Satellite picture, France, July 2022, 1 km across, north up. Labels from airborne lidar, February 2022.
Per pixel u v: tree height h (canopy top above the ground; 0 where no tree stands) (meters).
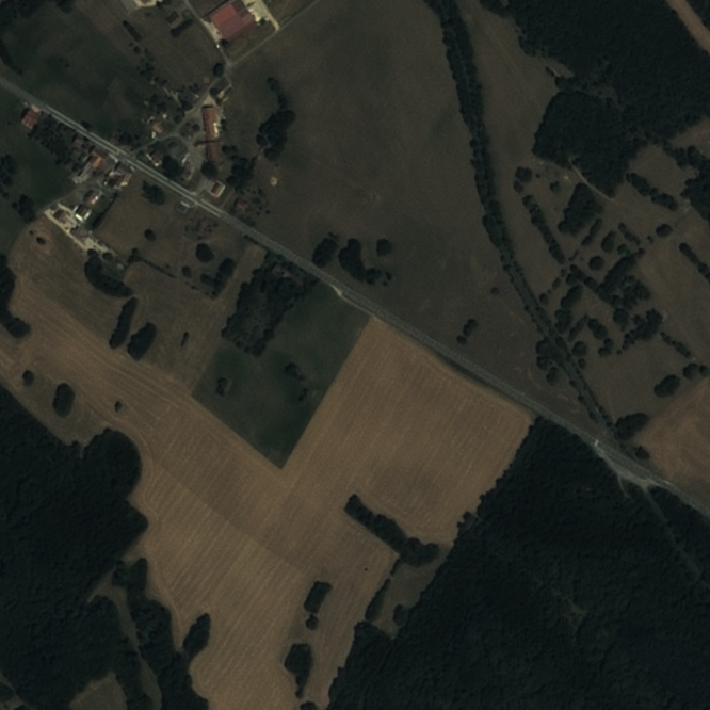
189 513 0
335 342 0
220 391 7
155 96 6
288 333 0
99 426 0
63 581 8
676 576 14
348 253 15
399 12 0
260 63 0
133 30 15
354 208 0
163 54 0
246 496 0
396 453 0
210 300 0
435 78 0
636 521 11
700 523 15
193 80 0
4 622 13
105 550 11
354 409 0
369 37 0
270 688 0
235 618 0
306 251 0
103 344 0
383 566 0
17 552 8
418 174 0
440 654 10
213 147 0
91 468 7
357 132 0
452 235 0
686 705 13
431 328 0
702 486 0
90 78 0
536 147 9
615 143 15
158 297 0
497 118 0
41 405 0
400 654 12
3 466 20
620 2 16
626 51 18
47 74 0
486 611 13
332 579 0
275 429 0
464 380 0
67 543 14
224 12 0
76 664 22
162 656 13
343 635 0
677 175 0
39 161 0
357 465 0
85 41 0
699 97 14
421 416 0
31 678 21
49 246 0
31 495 23
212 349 0
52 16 0
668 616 19
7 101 0
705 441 0
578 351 12
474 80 12
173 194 0
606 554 8
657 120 17
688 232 0
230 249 0
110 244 0
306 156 0
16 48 0
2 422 16
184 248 0
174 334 0
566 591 8
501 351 0
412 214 0
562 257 10
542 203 0
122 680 10
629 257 8
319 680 0
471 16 0
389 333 0
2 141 0
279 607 0
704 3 15
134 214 0
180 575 0
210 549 0
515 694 18
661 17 17
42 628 10
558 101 15
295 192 0
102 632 22
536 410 0
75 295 0
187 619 0
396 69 0
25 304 0
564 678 9
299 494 0
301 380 6
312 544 0
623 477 0
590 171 13
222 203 0
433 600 13
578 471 13
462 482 0
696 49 19
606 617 16
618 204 0
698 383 0
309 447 0
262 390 0
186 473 0
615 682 15
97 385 0
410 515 0
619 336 0
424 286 0
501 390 0
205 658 0
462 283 0
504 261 8
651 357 0
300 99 0
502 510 14
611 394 0
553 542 16
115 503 12
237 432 0
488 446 0
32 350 0
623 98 17
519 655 12
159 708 0
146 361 0
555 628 8
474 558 10
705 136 0
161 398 0
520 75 0
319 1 0
